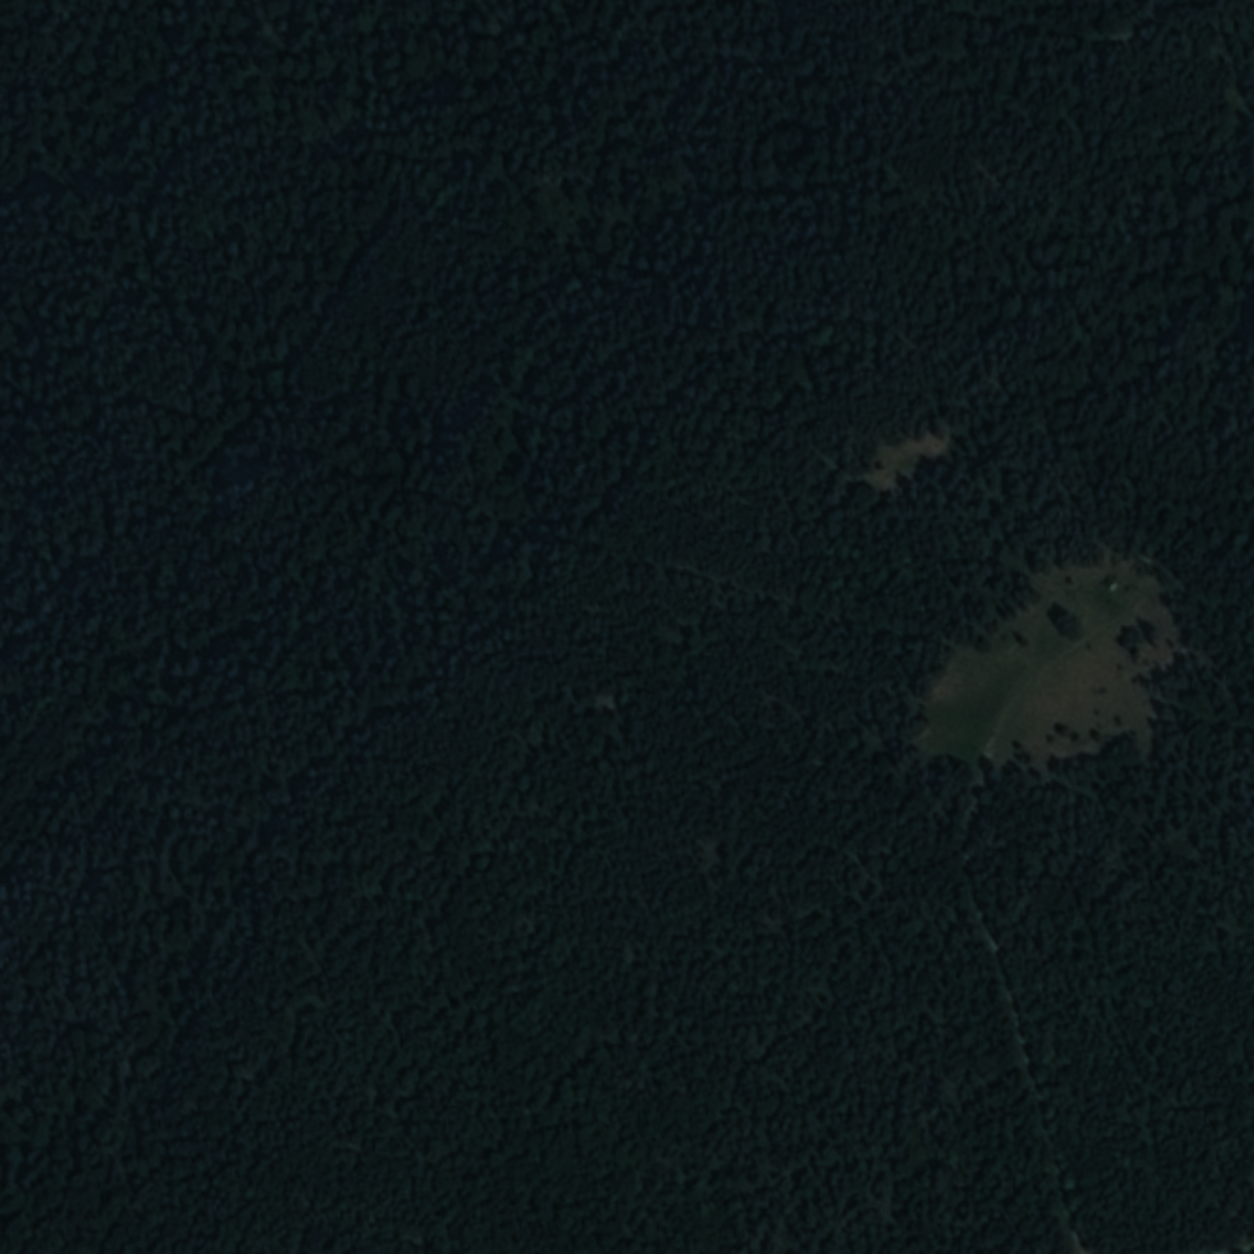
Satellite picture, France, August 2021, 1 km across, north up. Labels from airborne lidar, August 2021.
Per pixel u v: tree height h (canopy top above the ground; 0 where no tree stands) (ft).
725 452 75
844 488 38
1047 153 78
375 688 75
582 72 39
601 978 46
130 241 84
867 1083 65
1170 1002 42
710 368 51
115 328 68
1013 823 47
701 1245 61
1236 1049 51
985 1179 60
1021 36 79
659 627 40
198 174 56
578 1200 51
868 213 66
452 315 80
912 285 50
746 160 82
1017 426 69
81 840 65
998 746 0
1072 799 87
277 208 65
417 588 27
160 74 30
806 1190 61
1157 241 80
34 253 100
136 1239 44
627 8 41
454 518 77
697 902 46
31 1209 57
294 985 65
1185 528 59
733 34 59
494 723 66
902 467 0
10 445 65
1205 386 74
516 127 44
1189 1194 46
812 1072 68
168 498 71
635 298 77
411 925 51
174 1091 48
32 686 52
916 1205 42
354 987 57
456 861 47
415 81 54
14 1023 98
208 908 79
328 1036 49
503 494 38
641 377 71
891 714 71
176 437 66
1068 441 73
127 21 75
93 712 49
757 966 43
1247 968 65
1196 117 75
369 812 57
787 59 67
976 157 74
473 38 41
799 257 78
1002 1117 55
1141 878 58
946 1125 60
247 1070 51
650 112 79
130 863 61
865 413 77
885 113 59
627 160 72
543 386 74
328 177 78
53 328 31
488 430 66
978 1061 66
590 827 47
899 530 76
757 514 45
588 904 63
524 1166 55
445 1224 84
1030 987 63
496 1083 53
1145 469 81
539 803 37
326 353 58
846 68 87
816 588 52
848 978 45
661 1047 54
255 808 65
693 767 53
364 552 20
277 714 74
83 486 72
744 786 54
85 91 80
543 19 61
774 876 53
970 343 56
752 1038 37
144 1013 62
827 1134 37
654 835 59
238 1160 51
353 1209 60
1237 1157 57
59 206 90
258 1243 60
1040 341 63
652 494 55
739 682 46
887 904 75
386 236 64
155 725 46
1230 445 40
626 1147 60
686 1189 30
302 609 62
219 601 72
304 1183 56
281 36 25
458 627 72
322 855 64
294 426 84
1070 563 72
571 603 54
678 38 82
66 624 65
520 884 48
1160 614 0
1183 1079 52
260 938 38
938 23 77
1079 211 26
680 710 59
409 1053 49
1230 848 68
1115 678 0
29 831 59
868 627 39
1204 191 46
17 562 73
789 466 82
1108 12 85
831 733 57
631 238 31
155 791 62
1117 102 75
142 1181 29
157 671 45
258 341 31
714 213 81
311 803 61
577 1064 25
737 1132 49
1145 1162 51
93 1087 70
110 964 54
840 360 71
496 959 52
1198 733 81
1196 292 94
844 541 61
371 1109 52
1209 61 60
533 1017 67
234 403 46
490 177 86
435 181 56
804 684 53
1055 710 0
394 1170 58
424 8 90
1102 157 65
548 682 66
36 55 77
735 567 63
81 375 45
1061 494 30
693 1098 34
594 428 101
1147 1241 47
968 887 50
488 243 81
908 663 64
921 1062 87
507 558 59
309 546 85
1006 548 82
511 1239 54
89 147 28
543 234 29
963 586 83
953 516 74
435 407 47
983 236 68
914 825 83
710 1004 55
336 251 71
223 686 73
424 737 68
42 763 60
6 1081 90
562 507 81
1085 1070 55
